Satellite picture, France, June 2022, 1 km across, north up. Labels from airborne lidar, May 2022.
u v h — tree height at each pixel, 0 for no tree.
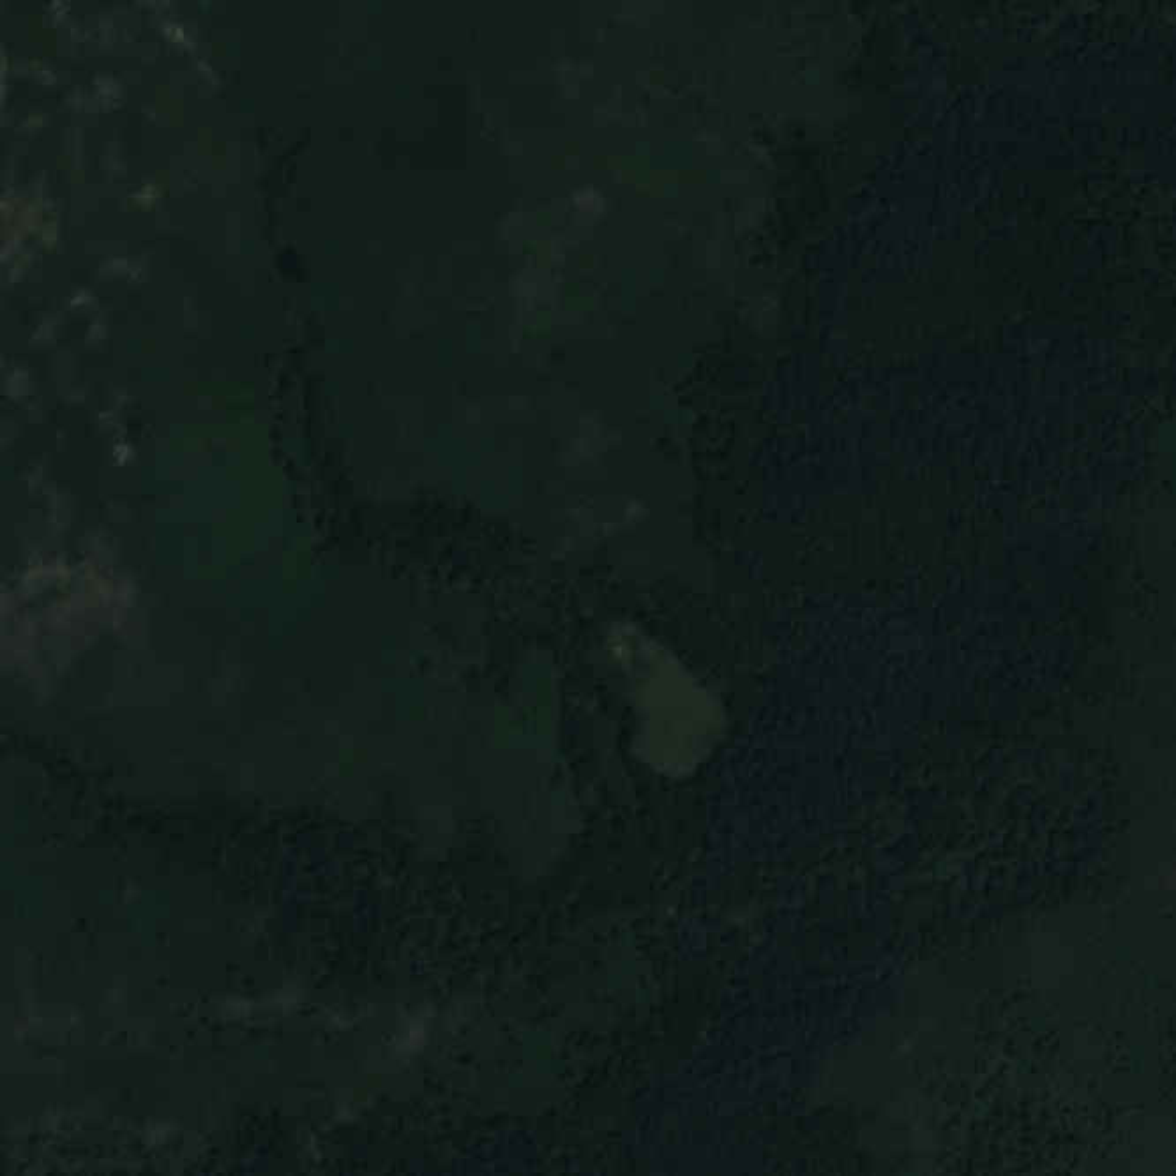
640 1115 14
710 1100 9
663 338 0
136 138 0
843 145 10
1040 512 16
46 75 0
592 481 0
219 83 0
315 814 12
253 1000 7
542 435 0
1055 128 19
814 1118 8
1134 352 16
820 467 18
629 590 12
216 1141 14
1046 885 13
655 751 0
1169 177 16
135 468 0
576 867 8
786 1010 15
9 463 0
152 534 0
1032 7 14
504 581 11
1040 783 15
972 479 14
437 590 6
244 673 0
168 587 0
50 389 0
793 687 18
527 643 15
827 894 13
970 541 13
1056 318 15
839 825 14
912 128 16
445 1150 17
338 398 0
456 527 15
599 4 0
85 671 0
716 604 6
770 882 10
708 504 16
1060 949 0
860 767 12
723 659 17
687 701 0
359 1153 22
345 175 0
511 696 9
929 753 17
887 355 16
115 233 0
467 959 13
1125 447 6
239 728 0
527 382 0
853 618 11
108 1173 6
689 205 0
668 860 18
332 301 0
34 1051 0
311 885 11
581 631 15
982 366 17
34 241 0
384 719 0
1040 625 20
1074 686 8
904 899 14
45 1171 15
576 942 0
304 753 0
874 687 16
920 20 18
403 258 0
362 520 14
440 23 0
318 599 0
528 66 0
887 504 17
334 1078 0
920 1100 0
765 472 19
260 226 0
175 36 0
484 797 0
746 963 15
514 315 0
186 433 0
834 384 18
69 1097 0
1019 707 12
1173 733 0
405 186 0
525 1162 13
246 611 0
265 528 0
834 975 14
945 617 17
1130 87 18
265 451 0
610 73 0
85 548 0
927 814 14
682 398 10
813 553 13
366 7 0
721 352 6
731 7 0
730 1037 20
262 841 8
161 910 0
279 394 6
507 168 0
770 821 18
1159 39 23
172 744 0
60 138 0
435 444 0
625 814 16
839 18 0
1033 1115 12
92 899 0
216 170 0
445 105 0
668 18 0
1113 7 19
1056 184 16
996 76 13
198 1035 10
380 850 15
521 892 8
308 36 0
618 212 0
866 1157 6
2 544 0
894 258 15
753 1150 14
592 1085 13
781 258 8
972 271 18
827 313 18
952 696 9
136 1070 0
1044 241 14
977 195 16
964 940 7
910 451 16
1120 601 8
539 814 0
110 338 0
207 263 0
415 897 10
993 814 8
